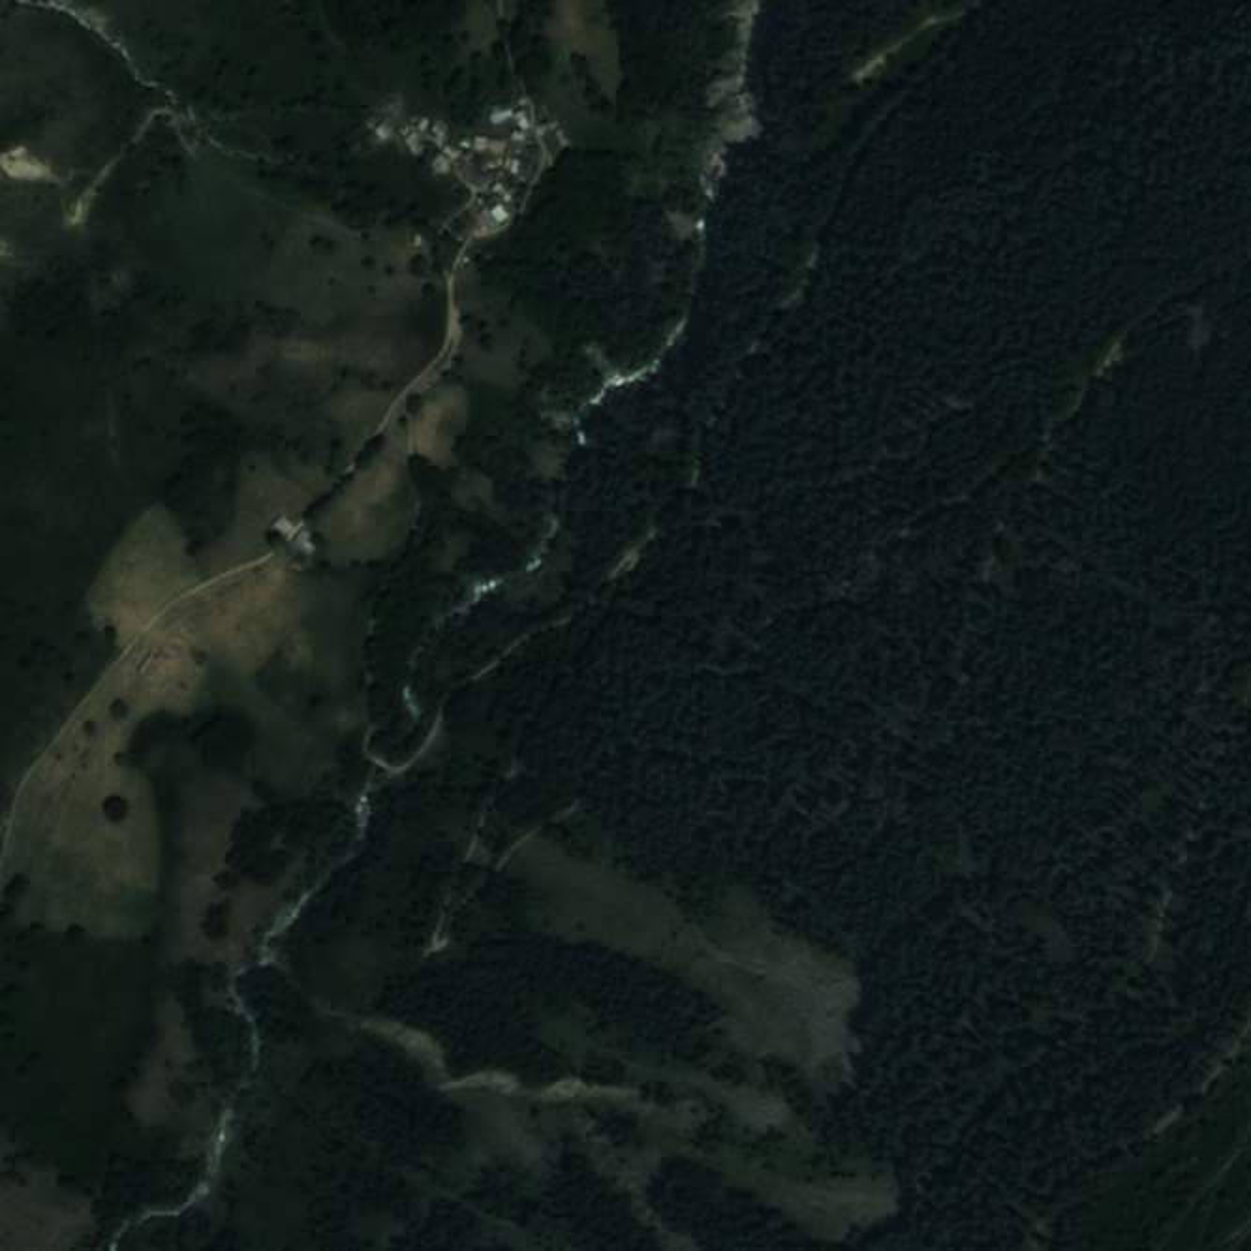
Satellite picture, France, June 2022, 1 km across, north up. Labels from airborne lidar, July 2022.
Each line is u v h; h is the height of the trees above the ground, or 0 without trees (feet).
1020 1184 93
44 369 0
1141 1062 62
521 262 46
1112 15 69
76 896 0
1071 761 45
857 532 75
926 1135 68
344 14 43
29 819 0
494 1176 40
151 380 0
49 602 0
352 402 0
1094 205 86
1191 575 34
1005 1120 35
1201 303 78
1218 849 93
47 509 0
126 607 0
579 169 80
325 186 55
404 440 0
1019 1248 94
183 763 0
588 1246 30
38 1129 0
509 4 0
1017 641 53
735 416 40
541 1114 19
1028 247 35
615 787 47
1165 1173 34
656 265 66
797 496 47
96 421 0
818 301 78
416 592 43
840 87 90
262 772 0
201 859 0
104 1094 0
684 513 70
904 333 94
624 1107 0
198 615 0
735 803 60
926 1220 63
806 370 91
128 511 0
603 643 51
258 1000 33
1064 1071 95
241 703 0
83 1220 0
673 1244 0
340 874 42
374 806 46
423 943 31
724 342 72
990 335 47
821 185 61
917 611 61
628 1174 0
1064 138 79
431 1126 31
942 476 37
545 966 41
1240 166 103
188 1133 0
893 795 78
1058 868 78
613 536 60
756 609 59
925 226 93
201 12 0
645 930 0
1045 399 43
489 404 0
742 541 75
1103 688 74
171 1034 0
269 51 0
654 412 53
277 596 0
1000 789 88
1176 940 50
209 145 25
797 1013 0
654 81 64
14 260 0
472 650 30
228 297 0
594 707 44
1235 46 105
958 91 80
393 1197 46
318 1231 23
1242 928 74
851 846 96
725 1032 22
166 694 0
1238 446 57
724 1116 31
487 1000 29
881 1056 68
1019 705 84
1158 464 82
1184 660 29
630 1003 52
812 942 31
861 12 96
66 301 43
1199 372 62
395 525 0
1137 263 75
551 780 57
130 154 27
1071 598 52
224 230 0
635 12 58
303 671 0
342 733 0
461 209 0
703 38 92
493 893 44
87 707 0
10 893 40
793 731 68
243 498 0
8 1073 0
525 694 24
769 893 68
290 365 0
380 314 0
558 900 0
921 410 52
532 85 38
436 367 0
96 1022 0
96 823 0
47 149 0
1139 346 53
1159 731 26
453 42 58
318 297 0
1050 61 73
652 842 60
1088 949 64
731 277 80
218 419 41
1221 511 59
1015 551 40
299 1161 0
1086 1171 80
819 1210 0
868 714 81
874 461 75
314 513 51
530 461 68
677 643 81
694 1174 54
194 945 0
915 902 65
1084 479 63
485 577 64
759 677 48
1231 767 85
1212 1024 61
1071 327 67
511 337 0
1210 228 92
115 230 0
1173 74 97
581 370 60
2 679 0
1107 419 52
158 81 34
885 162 75
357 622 0
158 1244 28
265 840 55
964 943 99
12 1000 38
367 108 24
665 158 89
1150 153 31
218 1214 0
